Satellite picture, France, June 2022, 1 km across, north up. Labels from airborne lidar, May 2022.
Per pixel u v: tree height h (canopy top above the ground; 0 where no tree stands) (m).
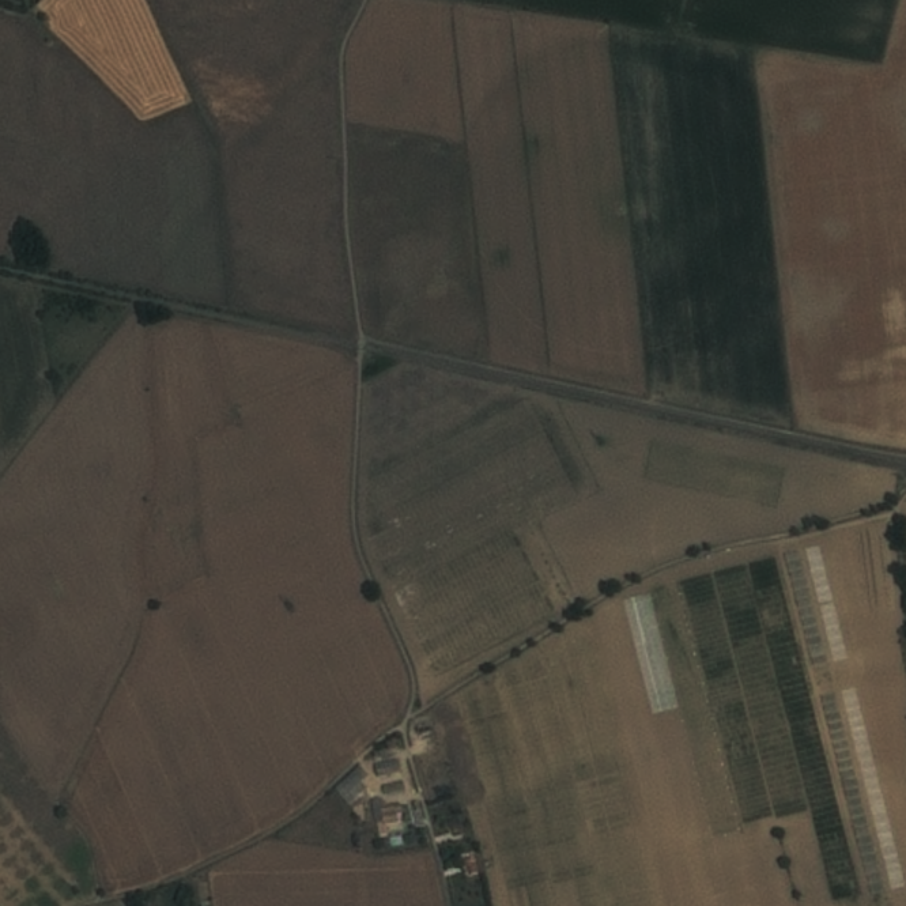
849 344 0
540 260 0
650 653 0
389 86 0
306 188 0
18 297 0
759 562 0
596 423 0
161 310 17
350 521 0
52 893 0
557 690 0
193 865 0
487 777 0
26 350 0
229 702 0
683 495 0
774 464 0
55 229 0
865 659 0
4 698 0
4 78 0
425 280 0
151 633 0
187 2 0
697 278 0
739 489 0
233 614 0
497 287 0
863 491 0
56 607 0
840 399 0
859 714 0
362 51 0
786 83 0
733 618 0
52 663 0
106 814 0
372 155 0
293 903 0
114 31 0
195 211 0
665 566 0
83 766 0
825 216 0
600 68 0
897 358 0
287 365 0
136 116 0
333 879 0
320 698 0
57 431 0
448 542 0
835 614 0
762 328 0
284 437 0
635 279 0
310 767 0
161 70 0
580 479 0
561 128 0
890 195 0
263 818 0
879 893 0
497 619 0
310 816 0
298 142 0
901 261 0
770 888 0
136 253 0
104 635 0
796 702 0
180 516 0
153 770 0
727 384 0
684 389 0
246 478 0
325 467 0
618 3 0
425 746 0
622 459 0
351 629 0
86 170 0
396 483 0
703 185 0
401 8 0
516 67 0
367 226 0
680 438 0
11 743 0
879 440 0
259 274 0
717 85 0
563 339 0
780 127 0
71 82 0
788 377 0
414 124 0
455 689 0
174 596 0
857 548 0
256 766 0
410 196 0
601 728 0
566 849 0
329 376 0
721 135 0
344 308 0
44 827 0
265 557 0
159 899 0
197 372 0
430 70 0
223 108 0
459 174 0
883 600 0
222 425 0
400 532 0
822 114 0
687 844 0
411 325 0
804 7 0
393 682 0
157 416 0
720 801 0
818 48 0
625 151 0
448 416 0
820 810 0
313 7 0
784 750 0
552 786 0
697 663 0
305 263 0
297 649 0
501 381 0
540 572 0
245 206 0
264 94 0
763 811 0
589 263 0
